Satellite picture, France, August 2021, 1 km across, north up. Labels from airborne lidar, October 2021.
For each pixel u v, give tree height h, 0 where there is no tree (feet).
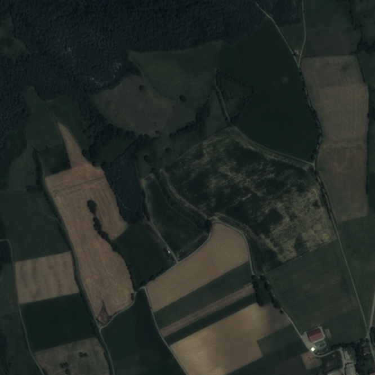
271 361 0
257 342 0
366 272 0
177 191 0
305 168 0
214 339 0
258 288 54
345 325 0
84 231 0
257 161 0
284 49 0
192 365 0
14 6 86
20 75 43
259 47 0
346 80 0
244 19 20
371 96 28
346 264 0
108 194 0
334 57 0
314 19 0
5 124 24
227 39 38
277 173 0
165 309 0
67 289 0
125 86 0
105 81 29
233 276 0
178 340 0
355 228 0
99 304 0
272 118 0
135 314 0
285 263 0
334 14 0
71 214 0
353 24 29
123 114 0
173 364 0
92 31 22
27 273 0
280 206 0
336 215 0
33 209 0
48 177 0
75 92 41
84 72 31
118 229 0
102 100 0
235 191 0
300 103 0
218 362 0
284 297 0
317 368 0
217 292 0
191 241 0
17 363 0
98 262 0
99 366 0
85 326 0
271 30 0
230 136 0
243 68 0
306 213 0
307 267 0
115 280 0
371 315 0
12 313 0
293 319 0
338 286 0
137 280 0
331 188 0
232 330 0
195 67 0
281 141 0
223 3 31
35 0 60
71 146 0
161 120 0
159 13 61
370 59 0
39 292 0
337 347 44
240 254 0
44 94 35
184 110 0
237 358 0
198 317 0
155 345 0
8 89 36
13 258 0
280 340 0
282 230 0
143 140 78
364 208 0
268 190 0
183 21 32
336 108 0
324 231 0
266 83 0
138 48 42
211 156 0
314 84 0
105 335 0
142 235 0
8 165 0
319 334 0
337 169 0
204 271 0
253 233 0
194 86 0
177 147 0
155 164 0
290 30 0
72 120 0
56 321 0
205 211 0
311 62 0
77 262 0
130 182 18
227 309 0
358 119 0
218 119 0
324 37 0
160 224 0
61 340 0
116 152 0
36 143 0
